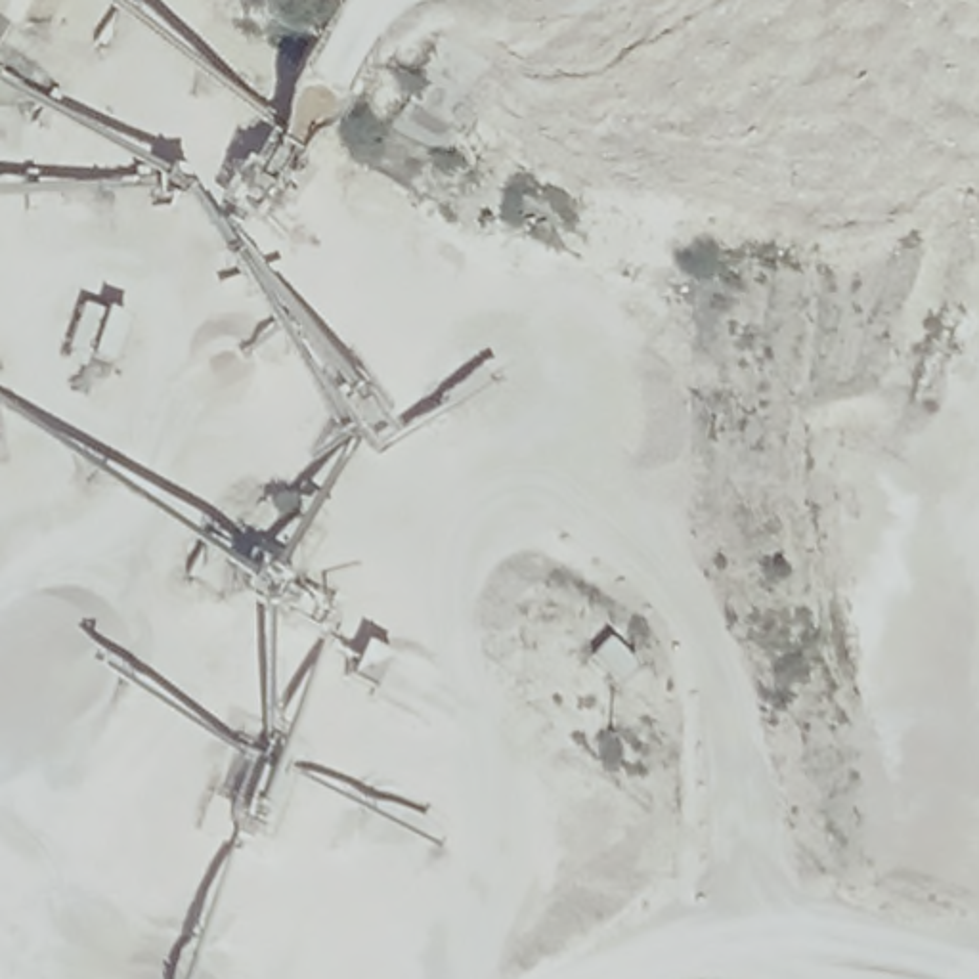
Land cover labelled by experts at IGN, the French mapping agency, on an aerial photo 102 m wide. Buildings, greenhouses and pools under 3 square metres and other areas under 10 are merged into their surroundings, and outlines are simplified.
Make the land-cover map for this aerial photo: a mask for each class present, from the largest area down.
<instances>
[{"label":"pervious surface","instance_id":"1","mask_svg":"<svg viewBox=\"0 0 979 979\"><path fill-rule=\"evenodd\" d=\"M241 0H0V979H979V0H344L321 46L310 34H287L279 46H272L237 31ZM398 88H413L417 96L413 103H405V115L394 130L432 149L455 145L482 172V180L470 187V195L455 207L459 218L444 222L436 207L413 203L402 184L371 172L367 164L344 149L340 134L321 130L314 138L298 168V191H291L283 207H252L245 180L218 184V172L226 149L245 161L249 153L264 149L268 115L279 126L306 130V122L314 119L344 115L356 99L371 103L379 115L398 99ZM516 172H528L539 184L562 187L577 203V226L570 229L562 237V249L555 252L520 233L516 226L505 222L501 195ZM700 237H711L723 249H734L742 241H769L799 256L803 264L799 272L776 268V275L765 279V287H742L738 302L715 317L719 340L707 356L692 352L696 325L688 310V272L677 264V252ZM948 302L968 306L956 329L960 352L948 359L945 398L937 413H922L906 405L910 356L925 333V314H941ZM551 566L581 574L585 581L600 585L608 597L627 604L635 616H642L650 623V642L627 650V631L604 627L600 608H593L585 597L570 589L547 585ZM838 604L845 612L849 646L857 658L860 711L841 730L799 734L784 730L780 723L765 727L757 692L772 688V662L761 646L746 642L750 612L811 608V620L822 631L830 627V608ZM608 723L631 727L646 742V753L623 746V761L646 765V776L604 769L597 757L577 750L574 730H600Z\"/></svg>","mask_w":979,"mask_h":979},{"label":"herbaceous vegetation","instance_id":"2","mask_svg":"<svg viewBox=\"0 0 979 979\"><path fill-rule=\"evenodd\" d=\"M417 96L413 88H398V99L379 115L390 126V134L382 157L367 164L371 172L402 184L413 203L436 207L444 222L459 218L455 207L470 195V187L455 168L440 172L432 164V149L394 130L405 115V103H413ZM520 233L555 252L562 249V237L570 229L547 199L532 195L524 199V218L516 226ZM677 264L688 272V310L696 325L692 352L707 356L719 340L715 317L738 302L742 287H765V279L776 275V268L799 272L803 264L799 256L769 241H742L734 249H723L711 237H700L677 252ZM968 306L948 302L941 314H925V333L910 356L906 405L922 413H937L945 398L948 359L960 352L956 329ZM547 585L570 589L585 597L593 608H600L604 627L627 631V650L650 642V623L642 616H635L627 604L608 597L600 585L585 581L581 574L551 566ZM746 642L761 646L772 662V688L757 692L765 727L780 723L784 730L799 734L841 730L860 711L857 658L849 646L845 612L838 604L830 608V627L822 631L811 620V608L750 612ZM577 750L597 757L604 769L646 776V765L623 761V746L646 753V742L631 727L608 723L600 730H574Z\"/></svg>","mask_w":979,"mask_h":979},{"label":"brushwood","instance_id":"3","mask_svg":"<svg viewBox=\"0 0 979 979\"><path fill-rule=\"evenodd\" d=\"M344 0H241L237 31L272 46H279L287 34H310L321 46ZM432 164L440 172L455 168L470 187L482 180V172L455 145L432 149ZM532 195L547 199L570 229L577 226V203L562 187L539 184L528 172H516L501 195L505 222L516 226L524 218V199Z\"/></svg>","mask_w":979,"mask_h":979},{"label":"building","instance_id":"4","mask_svg":"<svg viewBox=\"0 0 979 979\"><path fill-rule=\"evenodd\" d=\"M264 149L249 153L245 161L226 149L218 172V184L245 180L252 207H283L291 191H298V168L314 138L321 130L340 134L344 115L314 119L306 122V130L279 126L268 115Z\"/></svg>","mask_w":979,"mask_h":979},{"label":"deciduous trees","instance_id":"5","mask_svg":"<svg viewBox=\"0 0 979 979\"><path fill-rule=\"evenodd\" d=\"M390 134V126L379 115L371 103L356 99L344 115L340 134L344 149L367 164L382 157Z\"/></svg>","mask_w":979,"mask_h":979}]
</instances>
